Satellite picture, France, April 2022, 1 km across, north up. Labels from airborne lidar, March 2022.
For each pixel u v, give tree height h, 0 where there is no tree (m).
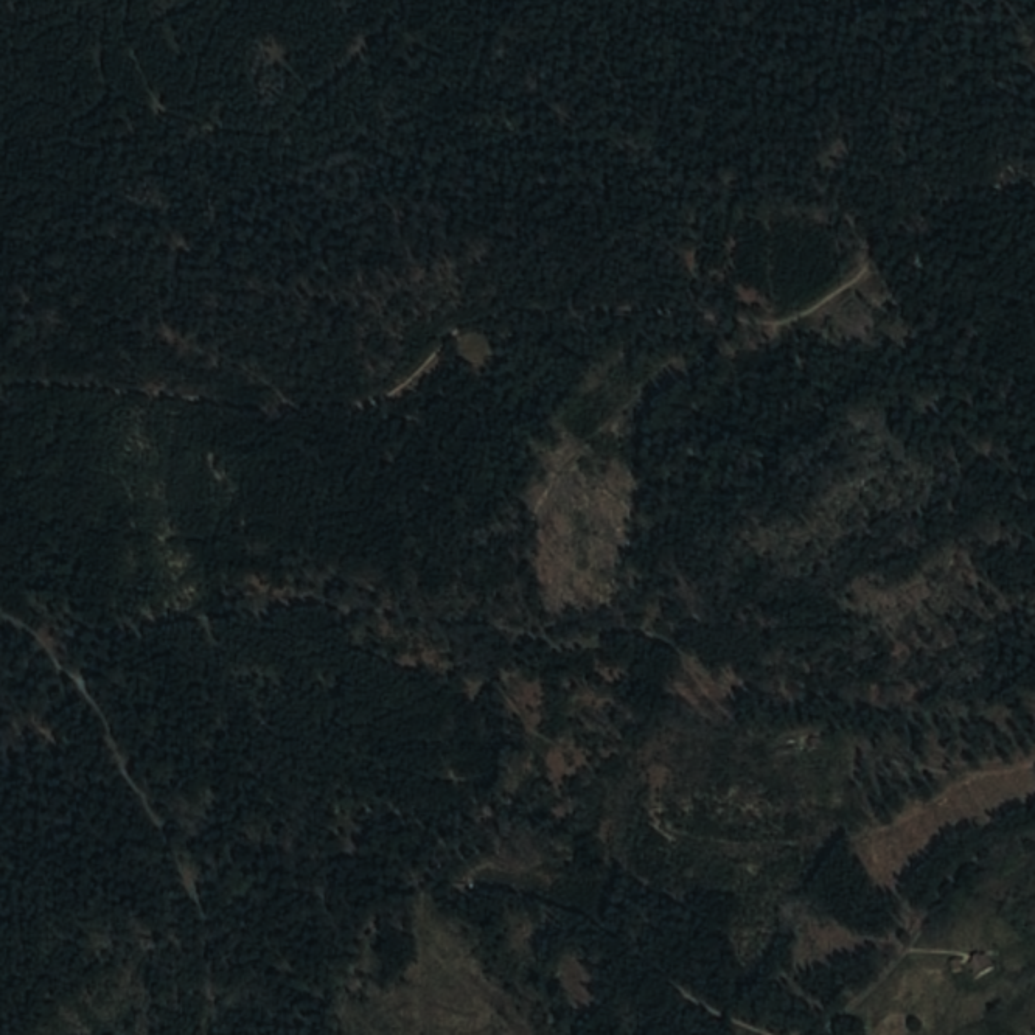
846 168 16
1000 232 27
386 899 32
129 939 28
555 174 17
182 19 20
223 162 13
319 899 25
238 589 5
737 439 26
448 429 20
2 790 24
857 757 0
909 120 25
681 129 14
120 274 13
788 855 11
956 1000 0
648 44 20
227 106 18
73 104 19
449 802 21
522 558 18
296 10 19
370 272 19
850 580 13
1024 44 36
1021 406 40
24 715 27
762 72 21
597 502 0
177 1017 17
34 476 18
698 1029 24
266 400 21
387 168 15
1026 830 26
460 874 28
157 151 18
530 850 29
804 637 25
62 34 15
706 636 28
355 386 17
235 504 11
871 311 17
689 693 30
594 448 6
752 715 36
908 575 25
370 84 16
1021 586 25
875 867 0
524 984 9
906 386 33
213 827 8
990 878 28
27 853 22
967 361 36
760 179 17
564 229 21
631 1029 12
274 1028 28
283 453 29
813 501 13
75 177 27
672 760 0
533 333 30
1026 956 0
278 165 16
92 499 16
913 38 35
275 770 31
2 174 17
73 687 28
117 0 16
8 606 10
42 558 30
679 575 17
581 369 30
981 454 19
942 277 35
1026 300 30
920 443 28
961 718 16
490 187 25
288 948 32
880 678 17
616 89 25
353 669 26
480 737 23
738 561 18
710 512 20
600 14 19
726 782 6
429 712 22
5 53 16
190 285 16
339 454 22
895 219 26
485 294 13
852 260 21
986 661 22
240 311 18
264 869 24
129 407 13
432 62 15
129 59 13
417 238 21
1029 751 37
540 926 26
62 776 17
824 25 20
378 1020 0
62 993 22
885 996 0
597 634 9
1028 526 30
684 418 30
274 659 30
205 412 16
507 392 23
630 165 23
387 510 19
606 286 23
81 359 8
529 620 12
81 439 13
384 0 16
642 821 8
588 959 29
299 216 22
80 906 20
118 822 24
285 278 26
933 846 0
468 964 0
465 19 17
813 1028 28
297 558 19
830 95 19
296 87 19
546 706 7
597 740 9
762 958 7
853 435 21
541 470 27
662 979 29
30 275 19
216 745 31
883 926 26
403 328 14
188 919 22
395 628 29
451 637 27
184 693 26
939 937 20
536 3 17
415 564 21
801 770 6
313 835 19
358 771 23
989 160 20
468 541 17
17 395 22
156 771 25
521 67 18
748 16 21
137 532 6
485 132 16
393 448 22
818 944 0
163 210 14
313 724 26
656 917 32
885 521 16
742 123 18
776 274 8
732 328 36
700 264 9
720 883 9
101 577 17
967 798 0
